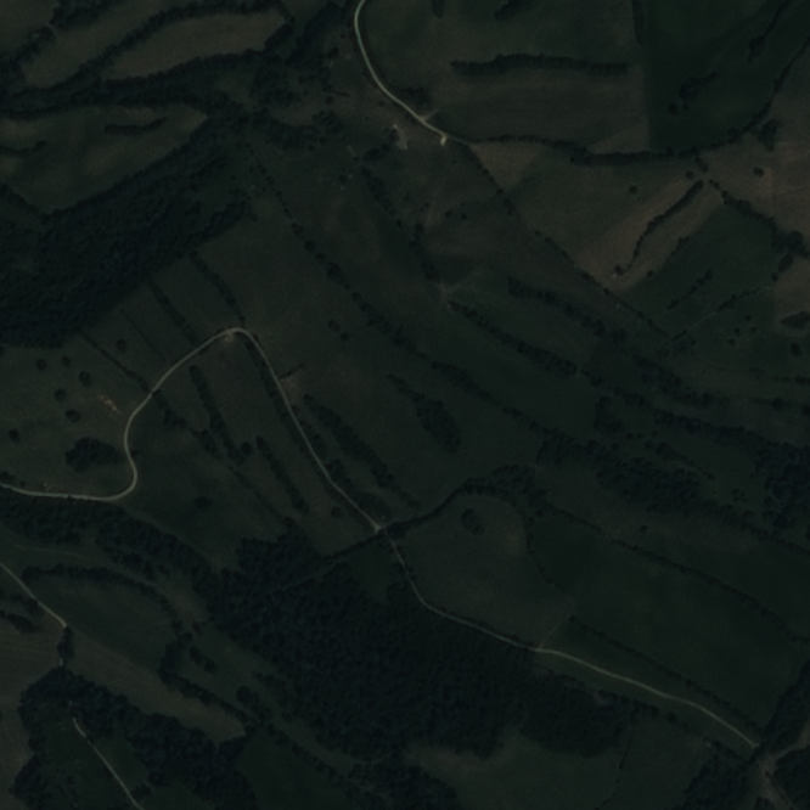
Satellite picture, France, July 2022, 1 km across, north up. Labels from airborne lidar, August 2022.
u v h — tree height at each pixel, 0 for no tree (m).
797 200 0
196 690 16
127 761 0
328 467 12
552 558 0
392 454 0
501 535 0
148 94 10
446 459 0
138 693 0
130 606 0
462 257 0
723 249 0
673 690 0
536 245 0
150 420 0
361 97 0
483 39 0
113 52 17
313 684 10
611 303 0
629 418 0
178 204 7
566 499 0
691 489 9
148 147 0
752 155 0
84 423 0
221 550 0
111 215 12
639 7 11
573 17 0
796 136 0
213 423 8
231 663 0
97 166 0
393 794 9
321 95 0
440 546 0
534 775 0
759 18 0
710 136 0
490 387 0
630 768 0
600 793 0
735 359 0
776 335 0
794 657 0
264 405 0
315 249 8
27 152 6
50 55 0
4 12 0
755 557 0
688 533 0
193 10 18
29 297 7
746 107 0
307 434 7
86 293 8
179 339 0
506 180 0
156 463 0
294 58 12
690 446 0
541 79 0
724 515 7
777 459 6
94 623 0
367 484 0
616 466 10
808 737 0
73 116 0
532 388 0
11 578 0
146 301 0
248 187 0
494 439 0
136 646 0
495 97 0
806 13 0
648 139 0
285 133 14
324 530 0
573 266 0
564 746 9
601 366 0
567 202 0
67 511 13
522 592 0
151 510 0
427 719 9
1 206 0
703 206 0
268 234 0
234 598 19
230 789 34
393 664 23
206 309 0
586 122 0
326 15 19
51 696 21
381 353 0
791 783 9
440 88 0
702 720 0
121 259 11
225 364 0
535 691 8
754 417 0
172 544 18
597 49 0
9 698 0
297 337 0
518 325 0
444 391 0
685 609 0
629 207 0
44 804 17
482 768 0
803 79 0
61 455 0
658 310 0
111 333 0
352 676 20
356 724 8
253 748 0
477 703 13
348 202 0
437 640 9
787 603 0
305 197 0
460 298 0
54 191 0
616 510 0
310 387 0
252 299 0
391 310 0
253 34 0
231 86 0
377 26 0
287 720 7
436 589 0
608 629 0
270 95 6
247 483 7
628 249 0
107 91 16
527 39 0
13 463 0
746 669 0
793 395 0
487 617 0
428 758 0
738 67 0
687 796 6
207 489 0
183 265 0
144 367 0
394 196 0
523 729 8
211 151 9
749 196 0
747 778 6
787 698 13
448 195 0
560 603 0
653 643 0
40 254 10
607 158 7
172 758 31
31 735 16
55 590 0
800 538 0
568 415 0
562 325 0
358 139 0
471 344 0
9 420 0
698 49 0
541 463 7
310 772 0
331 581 7
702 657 0
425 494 0
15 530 15
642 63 0
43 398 0
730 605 0
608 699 9
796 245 6
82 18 13
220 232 9
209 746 20
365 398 0
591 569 0
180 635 16
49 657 0
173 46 0
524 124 0
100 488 0
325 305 0
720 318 0
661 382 6
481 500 0
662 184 0
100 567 0
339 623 26
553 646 0
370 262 0
